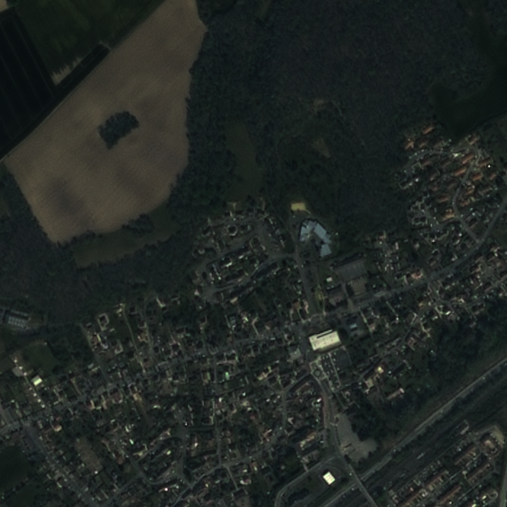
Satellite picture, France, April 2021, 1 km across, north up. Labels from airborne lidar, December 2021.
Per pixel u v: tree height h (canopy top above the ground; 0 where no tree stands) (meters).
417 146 8
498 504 0
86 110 0
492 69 0
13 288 15
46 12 0
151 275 21
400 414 26
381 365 0
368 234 10
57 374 13
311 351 0
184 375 0
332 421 0
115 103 0
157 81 0
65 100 0
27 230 16
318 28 22
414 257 17
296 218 0
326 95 10
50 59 0
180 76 0
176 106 0
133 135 0
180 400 10
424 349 0
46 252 20
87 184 0
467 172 0
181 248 18
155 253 15
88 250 0
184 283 12
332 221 0
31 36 0
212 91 20
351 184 12
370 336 8
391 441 0
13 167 0
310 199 14
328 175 14
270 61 19
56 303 18
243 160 0
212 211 12
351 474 0
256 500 9
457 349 18
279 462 10
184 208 22
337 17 23
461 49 23
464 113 0
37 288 17
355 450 0
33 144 0
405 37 22
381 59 21
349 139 12
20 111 0
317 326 7
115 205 0
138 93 0
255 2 21
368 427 13
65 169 0
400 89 21
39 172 0
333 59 21
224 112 18
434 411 0
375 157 16
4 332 0
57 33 0
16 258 18
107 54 0
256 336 0
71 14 0
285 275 11
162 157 0
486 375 0
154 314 6
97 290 23
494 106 0
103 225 0
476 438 0
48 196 0
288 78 18
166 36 0
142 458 0
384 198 18
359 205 14
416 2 23
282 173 14
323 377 0
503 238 0
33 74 0
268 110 16
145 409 0
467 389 0
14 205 17
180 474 0
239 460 0
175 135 0
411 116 16
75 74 0
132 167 0
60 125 0
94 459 0
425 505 0
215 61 21
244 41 25
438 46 20
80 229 0
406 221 7
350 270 0
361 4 24
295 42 24
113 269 17
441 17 22
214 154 13
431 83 19
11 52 0
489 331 29
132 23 0
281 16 22
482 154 0
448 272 0
